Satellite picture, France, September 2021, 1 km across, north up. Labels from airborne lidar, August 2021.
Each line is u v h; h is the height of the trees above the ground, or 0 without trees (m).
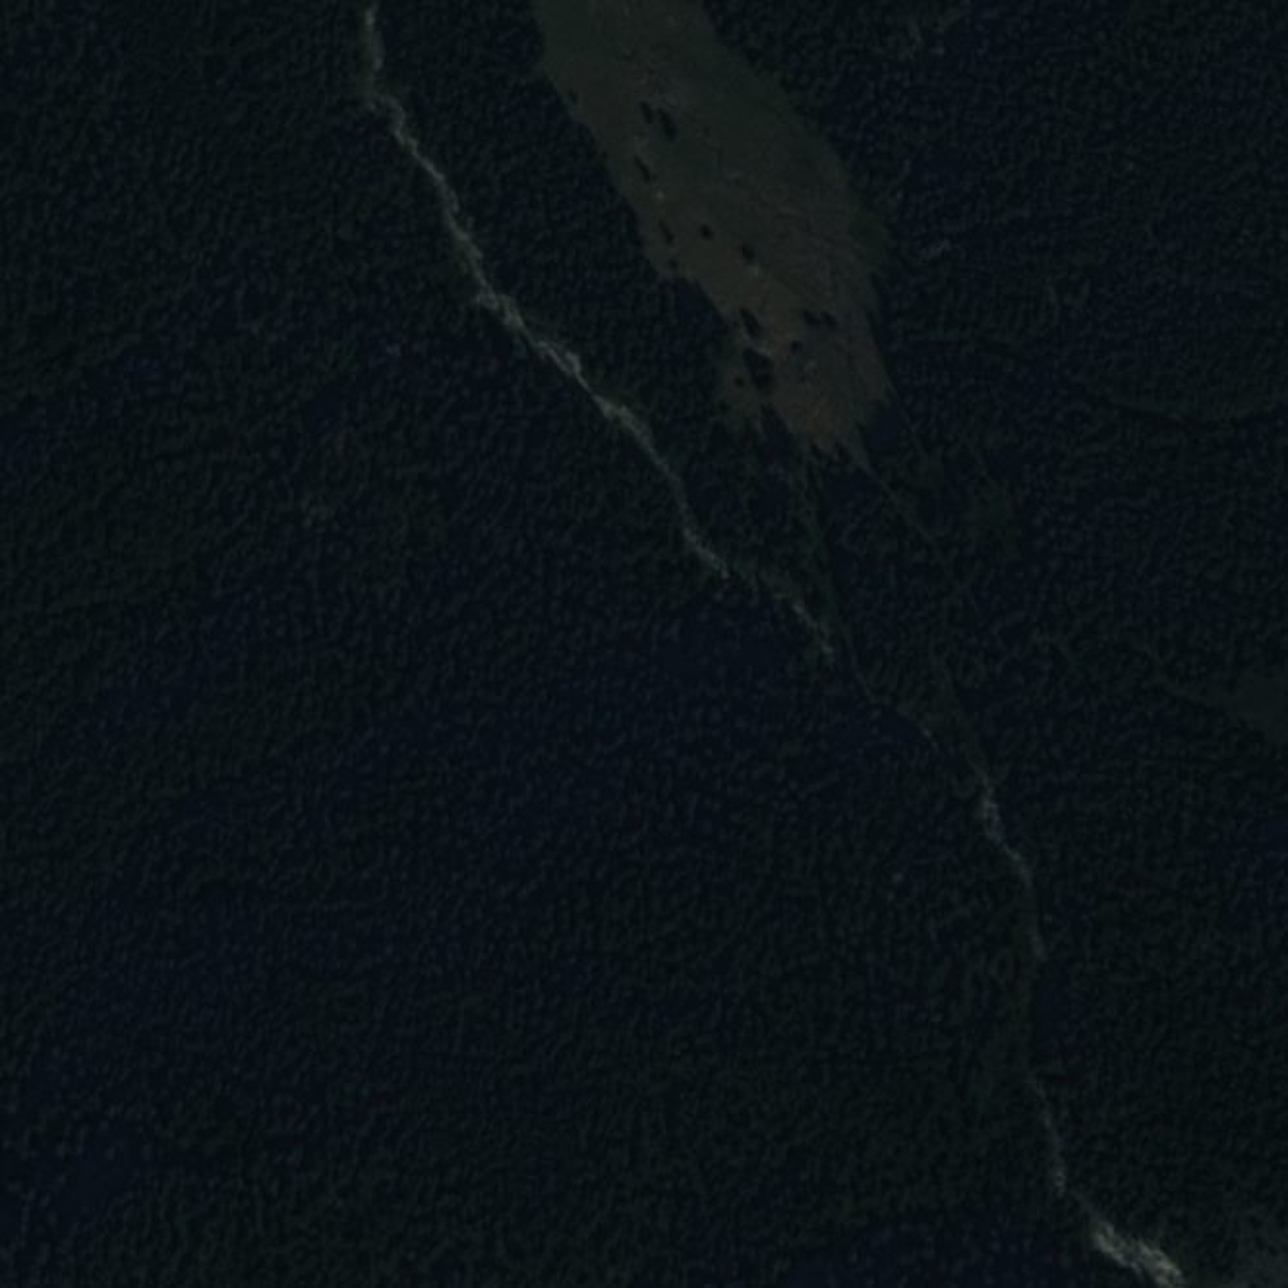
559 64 0
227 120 26
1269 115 22
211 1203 24
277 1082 29
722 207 0
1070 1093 16
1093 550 21
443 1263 8
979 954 6
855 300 0
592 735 11
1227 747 15
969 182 29
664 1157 8
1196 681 15
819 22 23
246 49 32
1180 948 18
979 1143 10
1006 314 33
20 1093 9
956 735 6
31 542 25
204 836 30
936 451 27
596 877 30
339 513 32
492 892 26
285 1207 17
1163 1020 11
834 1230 15
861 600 27
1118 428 17
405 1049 30
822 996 27
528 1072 30
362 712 25
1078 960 11
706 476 30
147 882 18
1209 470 18
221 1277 9
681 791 25
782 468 20
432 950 13
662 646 7
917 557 27
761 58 18
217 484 27
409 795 21
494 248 9
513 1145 28
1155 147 31
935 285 18
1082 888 12
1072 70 25
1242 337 29
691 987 25
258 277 25
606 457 28
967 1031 8
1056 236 34
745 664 10
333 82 30
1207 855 16
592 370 16
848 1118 15
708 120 0
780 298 0
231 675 27
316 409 11
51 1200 12
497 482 28
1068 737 22
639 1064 23
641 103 0
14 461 29
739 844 27
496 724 18
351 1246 16
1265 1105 11
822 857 23
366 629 28
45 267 20
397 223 20
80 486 22
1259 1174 11
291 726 24
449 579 15
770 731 31
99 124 10
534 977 17
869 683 12
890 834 31
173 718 15
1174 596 29
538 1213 17
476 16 28
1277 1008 9
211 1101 28
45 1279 16
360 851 25
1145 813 15
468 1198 27
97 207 32
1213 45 20
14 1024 29
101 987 29
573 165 27
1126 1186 12
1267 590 22
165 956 28
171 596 22
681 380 24
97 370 21
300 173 26
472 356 15
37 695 20
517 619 31
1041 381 16
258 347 8
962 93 25
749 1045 16
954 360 15
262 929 23
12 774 23
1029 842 14
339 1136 16
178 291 26
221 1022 30
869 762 9
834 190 0
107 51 25
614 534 21
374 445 25
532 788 32
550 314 25
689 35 0
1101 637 17
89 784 29
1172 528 29
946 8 27
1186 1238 6
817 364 0
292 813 34
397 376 22
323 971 33
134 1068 28
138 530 30
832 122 23
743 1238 30
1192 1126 11
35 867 23
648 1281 15
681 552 25
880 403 0
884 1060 15
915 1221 16
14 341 21
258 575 17
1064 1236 15
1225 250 27
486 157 20
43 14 19
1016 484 24
